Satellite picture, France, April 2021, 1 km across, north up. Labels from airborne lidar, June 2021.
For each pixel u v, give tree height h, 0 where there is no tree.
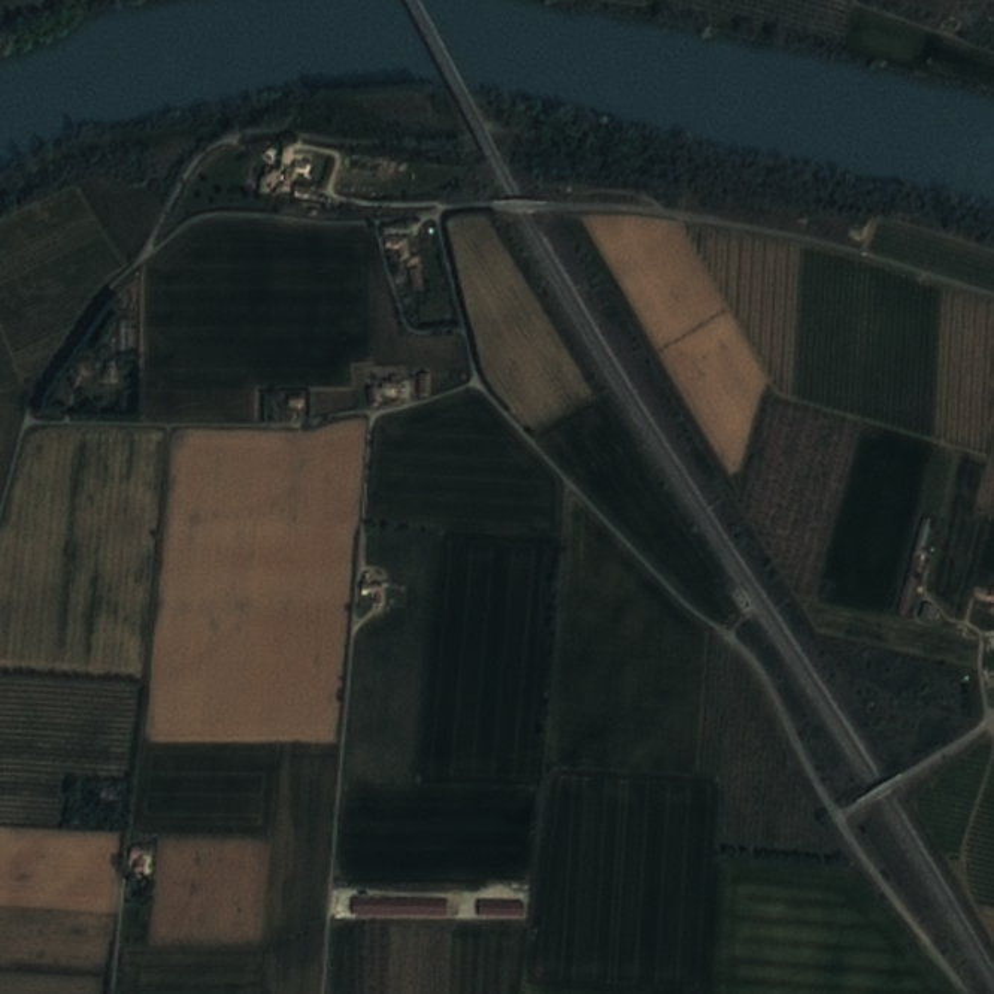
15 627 0
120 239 0
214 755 0
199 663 0
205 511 0
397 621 0
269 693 0
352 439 0
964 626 0
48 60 0
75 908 0
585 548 0
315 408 0
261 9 0
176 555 0
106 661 0
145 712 0
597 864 0
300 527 0
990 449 0
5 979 0
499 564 0
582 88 0
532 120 10
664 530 0
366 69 0
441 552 0
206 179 6
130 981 0
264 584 0
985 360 0
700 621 0
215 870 0
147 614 0
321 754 0
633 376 0
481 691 0
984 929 0
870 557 0
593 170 17
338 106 10
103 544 0
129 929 0
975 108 0
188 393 0
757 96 0
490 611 0
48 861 0
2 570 0
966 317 0
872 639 0
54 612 0
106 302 0
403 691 0
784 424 6
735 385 0
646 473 0
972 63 0
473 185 6
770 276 0
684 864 0
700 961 0
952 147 0
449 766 0
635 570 0
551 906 0
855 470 0
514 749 0
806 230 0
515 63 0
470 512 0
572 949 0
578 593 0
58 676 12
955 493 0
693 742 0
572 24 0
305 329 0
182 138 0
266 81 0
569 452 0
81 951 0
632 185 9
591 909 0
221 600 0
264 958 0
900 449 0
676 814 0
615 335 0
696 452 0
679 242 0
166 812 0
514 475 0
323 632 0
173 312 0
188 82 0
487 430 0
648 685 0
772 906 0
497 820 0
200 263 0
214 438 0
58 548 0
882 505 0
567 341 0
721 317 0
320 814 0
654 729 0
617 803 0
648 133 15
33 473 0
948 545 0
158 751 0
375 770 0
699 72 0
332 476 0
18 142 0
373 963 8
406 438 0
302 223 0
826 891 0
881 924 0
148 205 0
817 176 17
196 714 0
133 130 10
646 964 0
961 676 0
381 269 0
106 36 0
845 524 0
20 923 0
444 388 0
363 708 0
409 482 0
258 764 0
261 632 0
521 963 0
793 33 13
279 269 0
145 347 0
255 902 0
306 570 0
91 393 0
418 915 0
